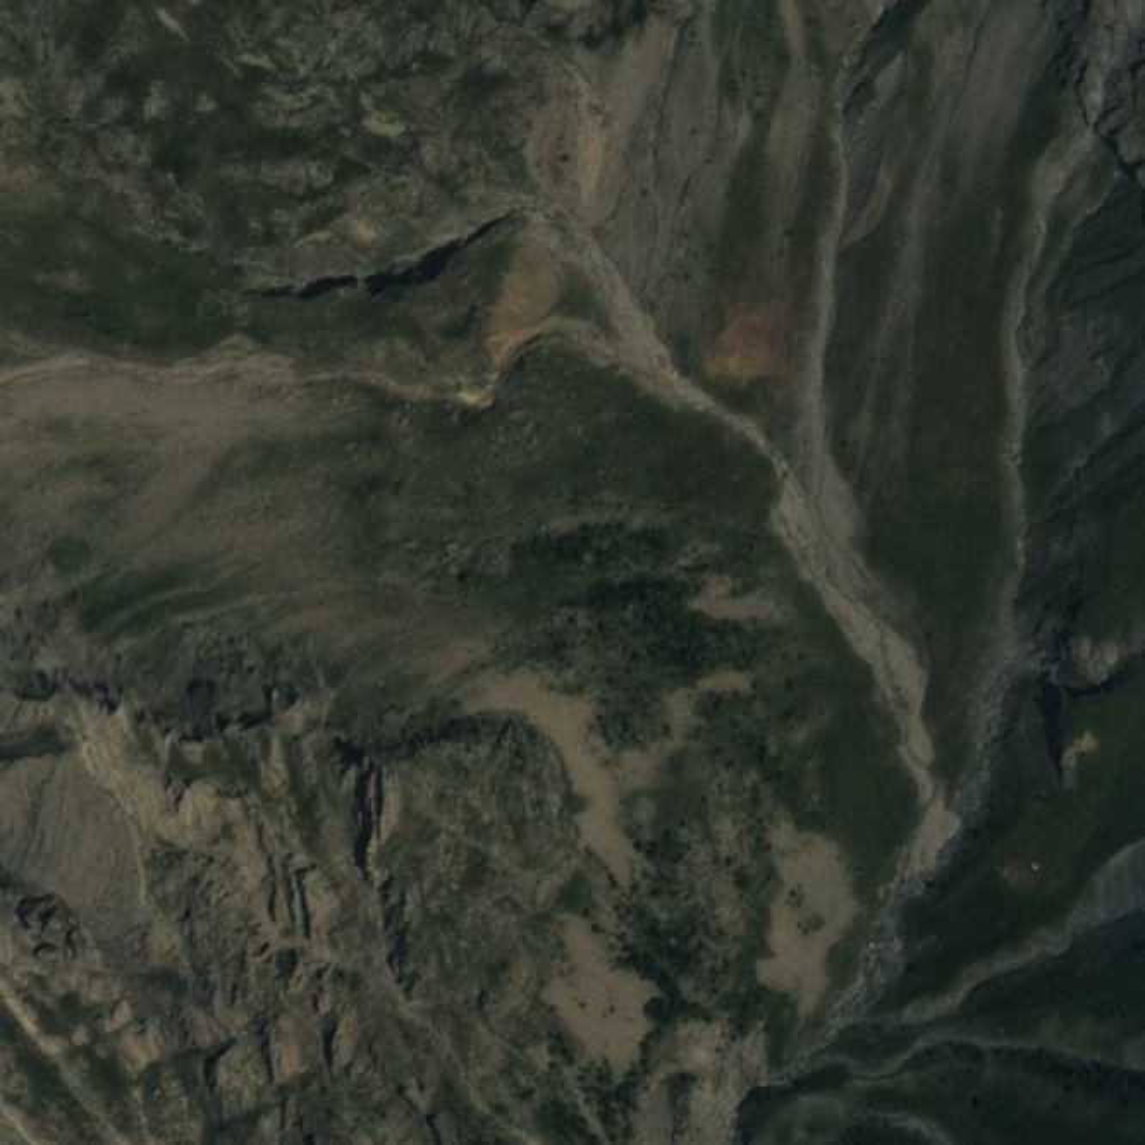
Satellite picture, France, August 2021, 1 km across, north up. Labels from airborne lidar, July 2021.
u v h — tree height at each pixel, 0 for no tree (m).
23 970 0
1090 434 0
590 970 0
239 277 0
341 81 0
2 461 0
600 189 0
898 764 0
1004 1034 0
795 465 0
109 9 0
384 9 0
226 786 0
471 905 0
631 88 0
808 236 0
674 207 0
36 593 0
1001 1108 0
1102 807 0
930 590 0
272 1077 0
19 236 0
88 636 0
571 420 0
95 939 0
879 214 0
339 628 0
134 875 0
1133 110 0
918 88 0
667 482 0
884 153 0
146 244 0
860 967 0
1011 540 0
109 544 0
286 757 0
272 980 0
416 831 0
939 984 0
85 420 0
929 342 0
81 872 0
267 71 0
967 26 0
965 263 0
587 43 0
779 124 0
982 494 0
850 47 0
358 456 0
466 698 0
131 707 0
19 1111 0
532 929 0
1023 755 0
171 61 0
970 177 0
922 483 0
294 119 0
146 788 0
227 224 0
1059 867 0
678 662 7
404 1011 0
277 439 0
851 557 0
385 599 0
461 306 0
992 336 0
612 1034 0
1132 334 0
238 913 0
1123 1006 0
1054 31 0
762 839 11
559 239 0
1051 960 0
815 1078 0
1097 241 0
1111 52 0
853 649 0
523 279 0
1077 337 0
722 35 0
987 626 0
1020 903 0
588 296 0
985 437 0
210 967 0
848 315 0
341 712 0
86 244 0
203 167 0
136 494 0
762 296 0
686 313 0
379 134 0
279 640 0
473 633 0
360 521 0
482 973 0
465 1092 0
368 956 0
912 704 0
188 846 0
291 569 0
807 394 0
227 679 0
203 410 0
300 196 0
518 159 0
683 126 0
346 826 0
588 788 0
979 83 0
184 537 0
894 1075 0
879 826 0
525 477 0
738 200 0
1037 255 0
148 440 0
